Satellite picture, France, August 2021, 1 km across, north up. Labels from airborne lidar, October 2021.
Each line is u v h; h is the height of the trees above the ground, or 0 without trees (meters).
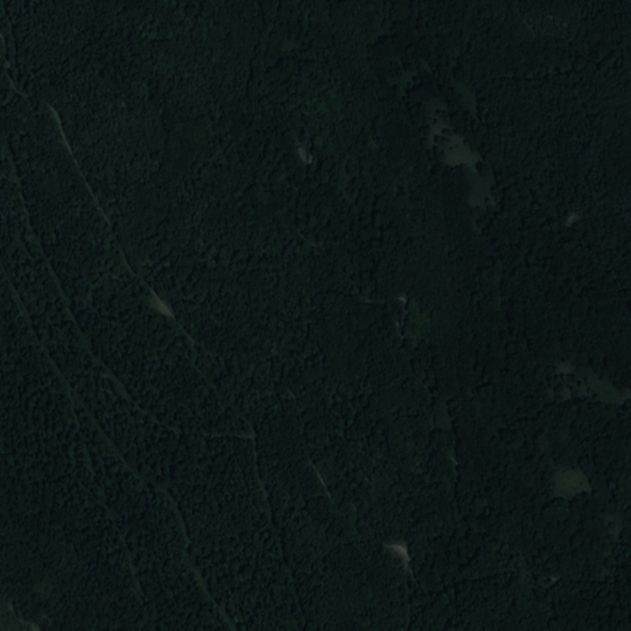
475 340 22
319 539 22
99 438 23
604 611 18
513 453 21
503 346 26
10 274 9
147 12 21
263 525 13
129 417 23
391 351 15
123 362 20
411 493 12
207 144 9
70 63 19
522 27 16
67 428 23
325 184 16
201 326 18
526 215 25
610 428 26
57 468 25
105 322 25
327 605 20
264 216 26
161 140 8
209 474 7
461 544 19
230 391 15
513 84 15
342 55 24
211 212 8
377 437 22
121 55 22
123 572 23
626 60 24
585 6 21
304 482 23
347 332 23
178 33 14
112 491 25
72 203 22
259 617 26
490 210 9
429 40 15
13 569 7
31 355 28
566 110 24
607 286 27
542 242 23
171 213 23
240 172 11
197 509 25
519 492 32
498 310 16
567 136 24
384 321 19
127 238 29
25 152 26
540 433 12
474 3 17
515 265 29
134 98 20
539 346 24
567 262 20
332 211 17
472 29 27
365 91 26
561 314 20
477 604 23
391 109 23
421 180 32
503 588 16
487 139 29
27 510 11
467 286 25
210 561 25
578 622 22
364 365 23
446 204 25
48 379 28
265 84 21
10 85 18
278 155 20
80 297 30
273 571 19
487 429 23
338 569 23
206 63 8
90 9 14
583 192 18
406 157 30
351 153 8
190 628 20
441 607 24
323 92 7
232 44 15
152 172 14
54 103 20
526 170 21
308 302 19
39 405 24
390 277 28
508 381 14
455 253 21
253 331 19
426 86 17
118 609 20
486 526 32
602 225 19
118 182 22
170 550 23
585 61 27
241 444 23
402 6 26
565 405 9
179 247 14
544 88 21
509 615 19
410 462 18
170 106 18
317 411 17
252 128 16
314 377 21
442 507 23
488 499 25
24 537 12
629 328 11
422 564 22
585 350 26
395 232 32
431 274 20
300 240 10
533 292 25
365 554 15
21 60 25
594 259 15
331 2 23
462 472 19
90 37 14
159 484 9
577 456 8
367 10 35
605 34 23
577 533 17
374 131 20
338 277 17
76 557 7
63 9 16
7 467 13
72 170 21
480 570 27
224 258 16
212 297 21
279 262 17
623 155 19
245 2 15
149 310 9
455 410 20
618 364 20
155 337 27
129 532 16
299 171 11
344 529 20
